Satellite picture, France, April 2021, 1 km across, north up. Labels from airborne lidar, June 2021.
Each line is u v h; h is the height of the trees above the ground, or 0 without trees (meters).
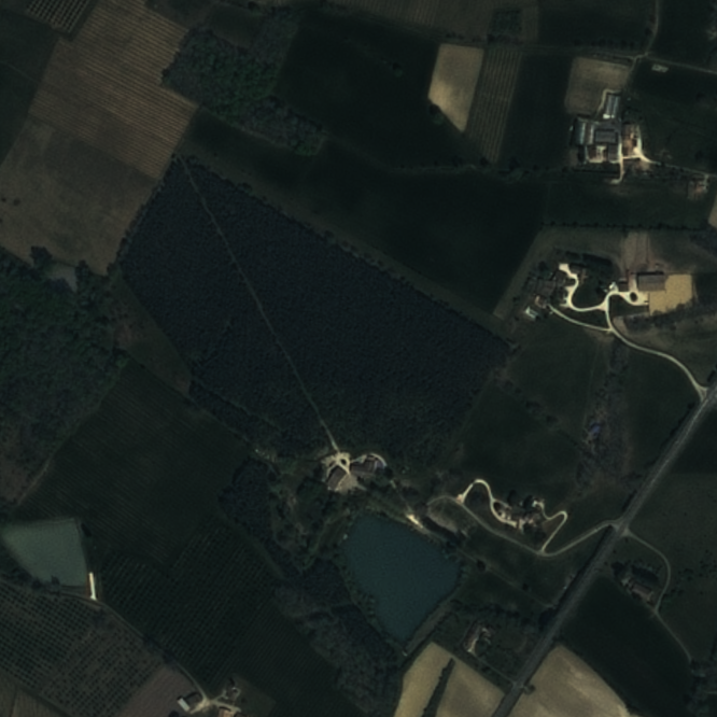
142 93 0
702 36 0
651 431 0
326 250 13
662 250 0
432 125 0
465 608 8
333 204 0
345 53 0
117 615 0
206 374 14
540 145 0
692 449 0
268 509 11
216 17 0
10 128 0
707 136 0
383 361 16
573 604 0
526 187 0
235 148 0
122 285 0
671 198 0
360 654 20
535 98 0
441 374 14
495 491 0
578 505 0
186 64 18
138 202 0
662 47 0
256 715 0
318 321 17
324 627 21
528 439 0
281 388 13
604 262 10
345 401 13
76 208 0
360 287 13
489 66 0
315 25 0
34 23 0
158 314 14
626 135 0
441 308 13
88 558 0
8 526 22
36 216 0
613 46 15
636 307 0
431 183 0
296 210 0
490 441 0
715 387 0
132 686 5
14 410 18
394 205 0
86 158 0
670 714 0
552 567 0
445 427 12
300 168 0
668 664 0
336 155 0
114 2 0
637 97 0
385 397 14
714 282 0
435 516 0
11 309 15
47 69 0
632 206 0
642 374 0
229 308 17
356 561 0
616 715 0
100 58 0
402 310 14
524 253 0
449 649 0
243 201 13
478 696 0
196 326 15
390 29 0
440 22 0
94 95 0
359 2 0
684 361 0
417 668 0
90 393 19
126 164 0
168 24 0
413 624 0
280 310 15
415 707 0
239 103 26
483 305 0
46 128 0
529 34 0
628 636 0
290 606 21
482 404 0
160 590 6
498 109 0
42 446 16
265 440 13
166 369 8
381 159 0
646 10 0
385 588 0
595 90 0
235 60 18
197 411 17
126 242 10
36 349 23
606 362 0
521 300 6
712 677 15
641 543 0
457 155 0
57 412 13
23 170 0
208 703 0
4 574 11
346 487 0
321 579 16
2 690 0
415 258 0
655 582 14
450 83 0
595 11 0
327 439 12
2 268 15
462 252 0
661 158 0
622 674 0
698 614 0
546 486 0
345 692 11
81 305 19
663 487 0
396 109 0
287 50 12
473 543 0
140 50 0
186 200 13
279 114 20
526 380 0
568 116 0
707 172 0
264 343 14
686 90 0
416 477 0
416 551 0
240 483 11
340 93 0
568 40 0
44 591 16
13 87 0
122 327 15
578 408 0
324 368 13
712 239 17
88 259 0
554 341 0
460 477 17
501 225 0
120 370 21
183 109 0
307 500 11
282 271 14
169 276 14
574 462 0
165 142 0
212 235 16
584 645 0
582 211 0
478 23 0
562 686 0
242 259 14
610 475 21
